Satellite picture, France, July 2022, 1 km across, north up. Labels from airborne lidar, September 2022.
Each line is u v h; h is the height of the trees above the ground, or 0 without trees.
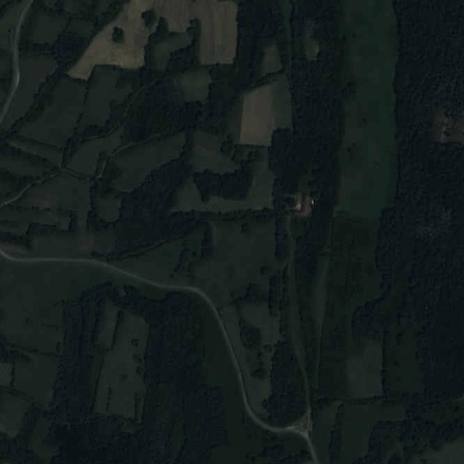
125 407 0
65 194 0
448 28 17
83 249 0
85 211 0
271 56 0
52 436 9
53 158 0
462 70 16
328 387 7
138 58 0
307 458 15
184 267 16
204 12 0
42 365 0
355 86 12
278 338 0
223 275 0
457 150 20
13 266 0
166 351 14
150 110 6
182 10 0
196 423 17
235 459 0
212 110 20
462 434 14
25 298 0
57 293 0
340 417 8
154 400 9
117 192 7
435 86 18
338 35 17
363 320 15
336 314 6
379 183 0
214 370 0
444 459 0
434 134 8
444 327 10
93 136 11
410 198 13
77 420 15
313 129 17
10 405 0
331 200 20
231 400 0
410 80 17
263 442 13
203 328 16
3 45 0
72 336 9
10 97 0
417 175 22
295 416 13
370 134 0
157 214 8
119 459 19
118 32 18
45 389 0
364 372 0
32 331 0
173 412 9
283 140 20
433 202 20
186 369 15
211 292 0
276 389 9
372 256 0
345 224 9
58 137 0
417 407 15
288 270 15
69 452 18
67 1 0
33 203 0
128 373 0
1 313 7
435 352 9
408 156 19
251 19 6
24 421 13
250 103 0
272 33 8
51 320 0
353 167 0
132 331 0
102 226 14
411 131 22
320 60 14
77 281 0
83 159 0
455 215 20
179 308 12
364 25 0
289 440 0
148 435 13
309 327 15
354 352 0
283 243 23
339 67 17
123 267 0
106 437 12
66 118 0
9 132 7
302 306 11
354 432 0
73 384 15
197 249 0
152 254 0
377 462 15
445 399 8
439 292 13
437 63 22
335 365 8
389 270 17
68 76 16
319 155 18
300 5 15
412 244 12
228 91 8
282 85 0
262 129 0
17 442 15
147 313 24
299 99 21
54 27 0
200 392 15
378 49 0
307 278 18
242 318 7
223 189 16
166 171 15
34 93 0
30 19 0
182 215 15
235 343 0
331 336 7
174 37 8
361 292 7
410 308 19
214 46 0
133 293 21
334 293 6
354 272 9
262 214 9
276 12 20
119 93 0
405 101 25
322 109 18
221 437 13
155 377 8
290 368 10
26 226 0
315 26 20
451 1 21
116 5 15
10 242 6
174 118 7
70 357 8
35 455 15
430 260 13
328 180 20
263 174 0
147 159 0
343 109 20
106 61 0
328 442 0
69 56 11
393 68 0
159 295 0
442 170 16
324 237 17
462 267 12
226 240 0
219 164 0
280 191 18
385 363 15
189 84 0
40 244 0
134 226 7
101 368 5
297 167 22
